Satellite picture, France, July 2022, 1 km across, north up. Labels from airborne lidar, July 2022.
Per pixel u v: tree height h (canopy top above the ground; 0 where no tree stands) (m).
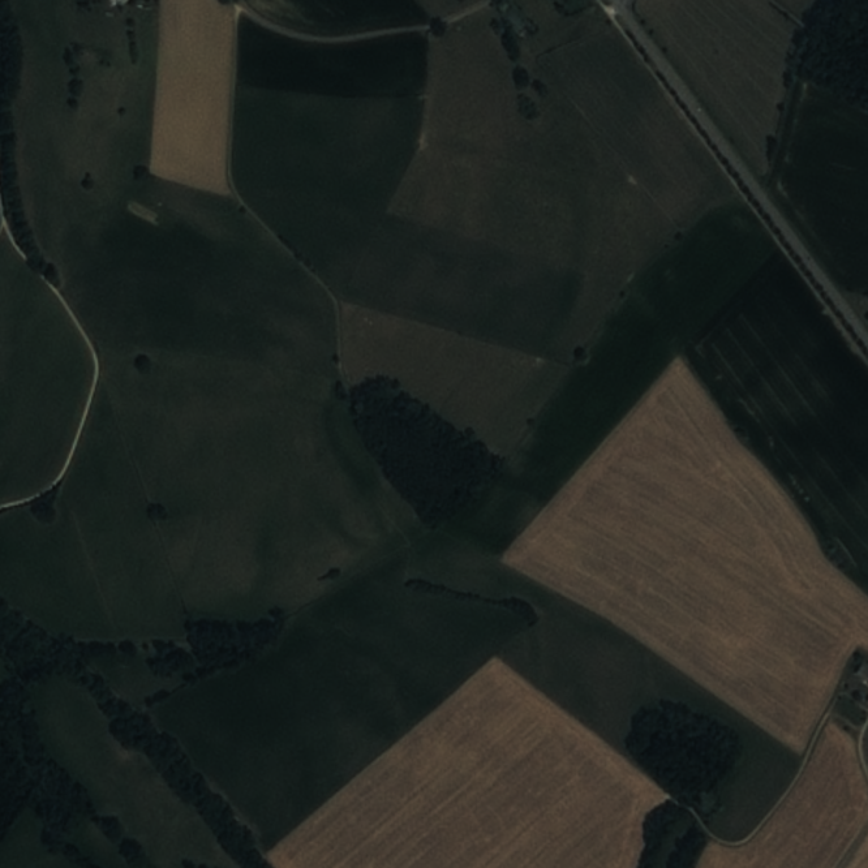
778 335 0
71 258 0
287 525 0
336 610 0
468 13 0
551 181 0
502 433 0
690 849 21
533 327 0
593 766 0
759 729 0
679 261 0
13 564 0
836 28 24
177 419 0
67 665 22
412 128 0
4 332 0
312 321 0
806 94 0
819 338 0
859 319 0
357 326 0
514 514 0
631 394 0
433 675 0
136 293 0
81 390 0
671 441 0
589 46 0
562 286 0
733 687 0
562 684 0
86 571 0
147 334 0
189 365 0
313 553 0
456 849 0
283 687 0
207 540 0
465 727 0
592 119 0
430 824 0
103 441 0
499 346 0
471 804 0
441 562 0
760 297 0
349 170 0
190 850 0
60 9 0
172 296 0
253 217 0
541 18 0
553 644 0
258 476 0
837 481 0
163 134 0
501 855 0
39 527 0
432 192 0
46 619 0
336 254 0
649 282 0
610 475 0
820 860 0
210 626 18
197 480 0
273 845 0
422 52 0
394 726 0
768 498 0
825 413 0
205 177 0
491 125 0
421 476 26
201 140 0
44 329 0
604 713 0
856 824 0
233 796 0
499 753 0
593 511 0
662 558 0
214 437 0
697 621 0
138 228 0
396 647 0
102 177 0
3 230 0
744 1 0
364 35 0
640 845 0
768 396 0
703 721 17
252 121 0
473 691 0
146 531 0
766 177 0
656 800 0
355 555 0
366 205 0
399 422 23
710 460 0
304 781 0
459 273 0
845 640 0
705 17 0
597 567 0
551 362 0
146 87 0
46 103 0
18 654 6
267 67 0
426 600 0
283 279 0
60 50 0
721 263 0
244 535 0
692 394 0
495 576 0
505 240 0
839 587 0
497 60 0
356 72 0
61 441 0
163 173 0
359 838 0
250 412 0
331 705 0
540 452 0
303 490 0
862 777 0
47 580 0
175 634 0
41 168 0
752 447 0
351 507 0
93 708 0
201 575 0
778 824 0
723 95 0
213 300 0
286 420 0
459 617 0
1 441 0
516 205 0
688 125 0
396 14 0
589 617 0
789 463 0
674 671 0
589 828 0
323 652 0
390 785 0
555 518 0
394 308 0
